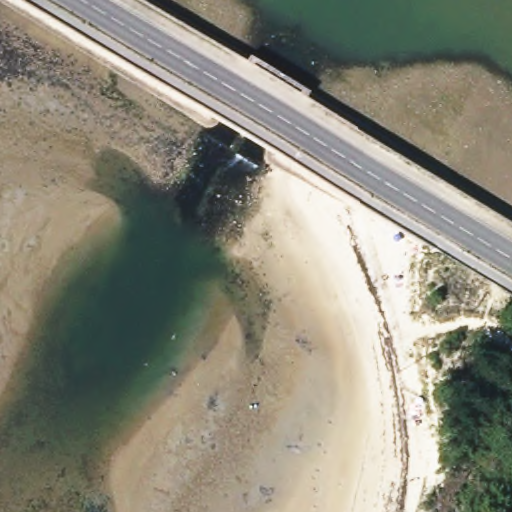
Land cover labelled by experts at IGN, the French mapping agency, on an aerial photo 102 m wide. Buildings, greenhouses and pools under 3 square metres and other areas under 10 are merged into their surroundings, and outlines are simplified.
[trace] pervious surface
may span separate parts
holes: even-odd
[[[498,326],[498,318],[458,316],[450,322],[436,322],[430,314],[426,314],[418,318],[418,322],[422,324],[420,332],[424,336],[448,332],[458,330],[462,326],[484,328]]]

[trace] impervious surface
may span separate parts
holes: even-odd
[[[496,282],[508,286],[512,284],[512,222],[500,216],[498,212],[490,210],[488,206],[480,204],[478,200],[470,198],[468,194],[460,192],[452,184],[444,182],[442,178],[434,176],[432,172],[420,168],[408,158],[400,156],[398,152],[390,150],[388,146],[380,144],[372,136],[364,134],[360,128],[344,120],[342,116],[312,100],[308,90],[294,78],[286,76],[278,68],[254,56],[244,58],[236,54],[234,50],[194,30],[192,26],[184,24],[182,20],[174,18],[172,14],[164,12],[148,0],[8,0],[6,4],[10,8],[26,12],[28,16],[60,32],[74,44],[106,60],[114,68],[134,76],[148,88],[160,92],[166,98],[166,102],[180,108],[184,114],[188,114],[204,128],[222,124],[264,150],[274,148],[276,152],[280,152],[294,164],[302,166],[322,182],[330,184],[344,196],[352,198],[372,214],[390,222],[398,228],[398,238],[406,238],[408,234],[414,236],[422,242],[424,254],[448,250],[450,254],[482,270]]]

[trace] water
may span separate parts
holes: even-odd
[[[256,360],[260,356],[262,338],[268,326],[268,314],[272,306],[270,294],[264,284],[260,284],[258,274],[252,280],[246,280],[242,274],[234,270],[230,256],[226,256],[226,252],[216,242],[216,234],[220,228],[224,228],[228,218],[236,214],[238,196],[250,190],[246,186],[246,170],[256,168],[256,162],[264,158],[264,150],[222,124],[204,128],[200,130],[198,140],[194,142],[196,156],[188,160],[186,178],[174,182],[170,188],[154,184],[128,156],[110,148],[100,152],[96,164],[92,166],[94,178],[90,180],[88,188],[110,198],[120,208],[122,224],[100,244],[96,252],[90,252],[86,264],[70,276],[58,298],[46,298],[42,302],[42,308],[34,314],[34,320],[26,334],[26,346],[18,352],[10,380],[0,396],[0,512],[114,512],[114,500],[110,496],[108,484],[108,460],[112,460],[120,446],[128,444],[132,434],[140,428],[140,424],[152,416],[154,408],[158,408],[166,398],[174,394],[174,390],[182,384],[184,376],[196,366],[196,362],[208,358],[208,354],[216,348],[220,340],[220,332],[224,330],[226,322],[234,316],[238,318],[244,336],[244,354],[250,360]]]
[[[278,68],[286,76],[294,78],[308,90],[320,82],[320,74],[328,68],[374,68],[392,72],[418,64],[476,64],[488,70],[492,76],[508,80],[512,84],[512,0],[240,0],[250,12],[250,40],[246,44],[258,46],[258,52],[254,56]]]

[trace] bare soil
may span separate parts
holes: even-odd
[[[26,12],[10,8],[6,4],[8,0],[0,0],[0,396],[10,380],[18,352],[26,346],[26,334],[34,320],[34,314],[42,308],[42,302],[46,298],[58,298],[70,276],[86,264],[90,252],[96,252],[100,244],[122,224],[120,208],[110,198],[88,188],[90,180],[94,178],[92,166],[96,164],[100,152],[110,148],[128,156],[154,184],[170,188],[174,182],[186,178],[188,160],[196,156],[194,142],[198,140],[200,130],[204,128],[188,114],[184,114],[180,108],[166,102],[166,98],[160,92],[148,88],[134,76],[114,68],[106,60],[74,44],[60,32],[28,16]]]
[[[320,82],[308,90],[312,100],[342,116],[344,120],[360,128],[364,134],[372,136],[380,144],[388,146],[390,150],[398,152],[400,156],[408,158],[420,168],[432,172],[434,176],[442,178],[444,182],[452,184],[460,192],[468,194],[470,198],[478,200],[480,204],[488,206],[490,210],[498,212],[500,216],[512,222],[512,84],[508,80],[492,76],[488,70],[476,64],[418,64],[392,72],[374,68],[328,68],[320,74]]]
[[[460,368],[462,364],[462,356],[456,350],[442,358],[442,366],[438,370],[434,370],[432,366],[430,354],[436,348],[440,348],[448,332],[424,336],[420,332],[422,324],[418,322],[418,318],[426,314],[430,314],[436,322],[450,322],[458,316],[498,318],[498,312],[510,302],[512,296],[512,284],[508,286],[496,282],[482,270],[450,254],[448,250],[424,254],[422,242],[414,236],[408,234],[406,238],[398,238],[398,228],[390,222],[372,214],[352,198],[344,196],[330,184],[322,182],[302,166],[294,164],[280,152],[276,152],[274,148],[264,150],[264,158],[256,162],[256,168],[246,170],[246,186],[250,190],[238,196],[236,214],[228,218],[224,228],[220,228],[216,234],[216,242],[226,252],[226,256],[230,256],[234,270],[242,274],[246,280],[252,280],[258,274],[260,284],[264,284],[270,294],[272,306],[268,314],[268,326],[262,338],[260,356],[256,360],[250,360],[244,354],[244,336],[238,318],[234,316],[226,322],[224,330],[220,332],[220,340],[216,348],[208,354],[208,358],[196,362],[196,366],[184,376],[182,384],[174,390],[174,394],[166,398],[158,408],[154,408],[152,416],[140,424],[140,428],[132,434],[128,444],[120,446],[112,460],[108,460],[108,484],[110,496],[114,500],[114,512],[428,512],[422,502],[428,498],[434,486],[444,482],[444,474],[438,474],[438,446],[438,426],[442,420],[442,412],[434,400],[434,386],[448,378],[450,368]]]
[[[258,52],[258,46],[246,44],[250,40],[250,12],[240,0],[148,0],[164,12],[172,14],[174,18],[182,20],[184,24],[192,26],[194,30],[234,50],[236,54],[244,58],[254,56]]]

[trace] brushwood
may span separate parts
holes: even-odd
[[[498,318],[498,326],[512,324],[512,296],[510,302],[498,312]]]
[[[486,332],[484,328],[462,326],[458,330],[448,332],[440,348],[436,348],[430,354],[432,366],[434,370],[438,370],[442,366],[442,358],[456,350],[462,356],[462,364],[472,362],[472,344],[478,342],[480,336]]]

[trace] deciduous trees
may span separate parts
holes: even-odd
[[[478,342],[472,344],[472,362],[462,364],[460,368],[450,368],[448,378],[434,386],[434,400],[442,412],[442,420],[438,426],[438,446],[442,442],[448,442],[458,454],[448,472],[470,472],[478,476],[484,484],[482,492],[472,490],[466,512],[512,512],[512,324],[498,326],[484,328],[486,332],[480,336]]]

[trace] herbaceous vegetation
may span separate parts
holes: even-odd
[[[448,442],[442,442],[438,446],[438,474],[444,474],[444,482],[434,486],[428,498],[422,502],[428,512],[466,512],[472,490],[482,492],[484,484],[478,476],[470,472],[448,472],[458,454]]]

